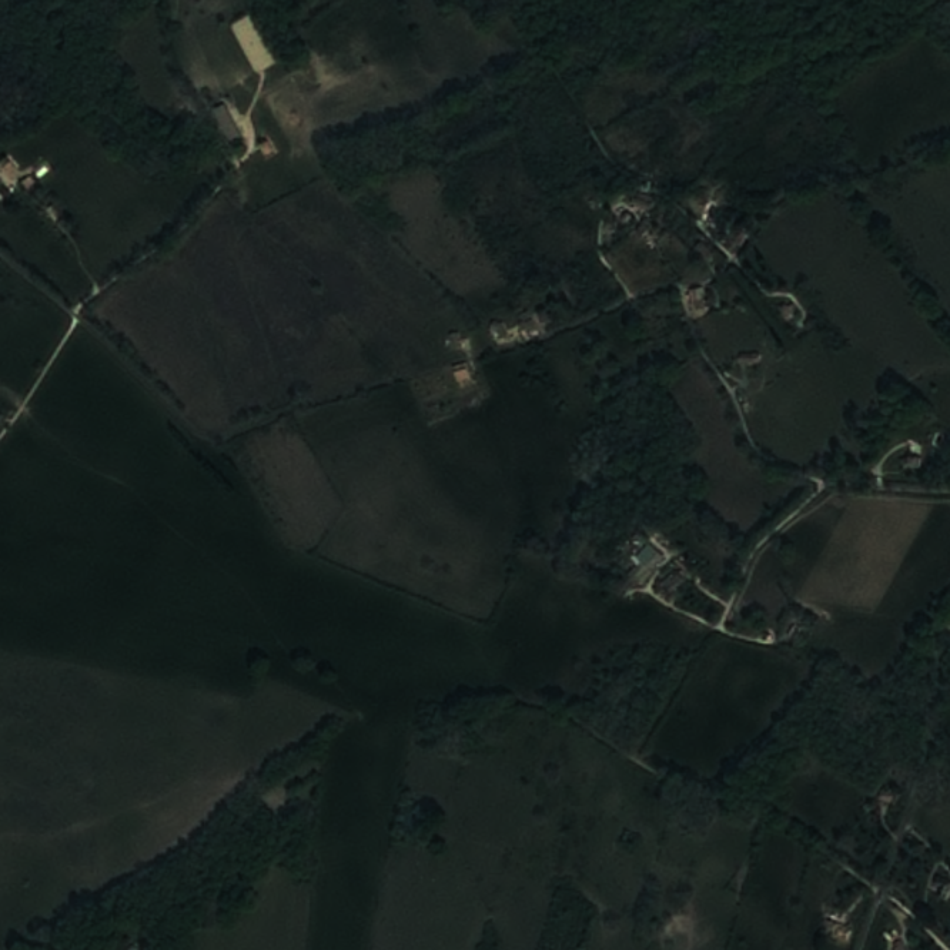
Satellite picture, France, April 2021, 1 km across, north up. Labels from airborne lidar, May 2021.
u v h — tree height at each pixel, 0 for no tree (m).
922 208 0
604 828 0
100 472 0
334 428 0
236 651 0
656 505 20
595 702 10
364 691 0
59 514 0
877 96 0
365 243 0
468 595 0
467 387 0
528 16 21
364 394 11
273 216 0
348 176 16
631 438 23
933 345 0
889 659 0
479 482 0
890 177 15
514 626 0
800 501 12
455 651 0
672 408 18
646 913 19
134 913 21
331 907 0
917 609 0
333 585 0
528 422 0
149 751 0
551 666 0
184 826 0
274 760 11
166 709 0
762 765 21
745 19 24
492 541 0
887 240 21
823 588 0
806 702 19
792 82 6
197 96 19
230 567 0
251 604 0
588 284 9
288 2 21
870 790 14
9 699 0
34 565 0
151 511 0
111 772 0
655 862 0
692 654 9
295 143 0
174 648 0
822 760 19
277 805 0
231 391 0
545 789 0
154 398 0
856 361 0
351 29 0
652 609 0
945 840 0
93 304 14
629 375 13
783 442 0
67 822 0
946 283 0
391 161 21
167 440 0
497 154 6
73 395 0
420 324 0
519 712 8
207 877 16
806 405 0
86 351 0
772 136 0
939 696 14
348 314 0
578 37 25
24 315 0
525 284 7
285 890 0
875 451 15
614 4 24
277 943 0
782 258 0
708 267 16
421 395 0
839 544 0
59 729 0
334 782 0
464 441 0
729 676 0
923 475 8
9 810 0
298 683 0
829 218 0
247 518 0
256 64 0
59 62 25
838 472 18
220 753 0
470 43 0
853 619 0
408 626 0
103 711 0
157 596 0
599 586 14
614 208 12
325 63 0
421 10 0
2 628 0
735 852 0
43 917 0
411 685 0
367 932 0
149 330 0
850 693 19
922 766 15
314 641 0
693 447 18
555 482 0
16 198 6
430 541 0
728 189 0
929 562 0
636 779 0
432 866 0
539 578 0
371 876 0
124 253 0
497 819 0
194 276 0
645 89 0
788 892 0
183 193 0
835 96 17
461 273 0
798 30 17
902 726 18
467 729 25
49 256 0
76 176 0
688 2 25
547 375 9
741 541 21
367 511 0
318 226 0
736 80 20
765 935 0
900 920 0
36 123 21
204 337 0
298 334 0
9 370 0
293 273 0
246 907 22
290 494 0
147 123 17
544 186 6
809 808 0
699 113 17
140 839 0
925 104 0
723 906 0
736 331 0
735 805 26
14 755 0
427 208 0
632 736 17
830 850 14
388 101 0
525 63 18
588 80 8
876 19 22
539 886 0
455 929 0
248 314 0
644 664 6
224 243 0
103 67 24
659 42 21
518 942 0
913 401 21
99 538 0
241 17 9
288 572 0
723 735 0
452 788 0
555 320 9
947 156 23
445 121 13
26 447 0
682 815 20
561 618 0
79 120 10
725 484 0
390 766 0
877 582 0
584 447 11
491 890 0
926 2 18
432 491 0
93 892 0
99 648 0
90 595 0
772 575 0
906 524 0
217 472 14
